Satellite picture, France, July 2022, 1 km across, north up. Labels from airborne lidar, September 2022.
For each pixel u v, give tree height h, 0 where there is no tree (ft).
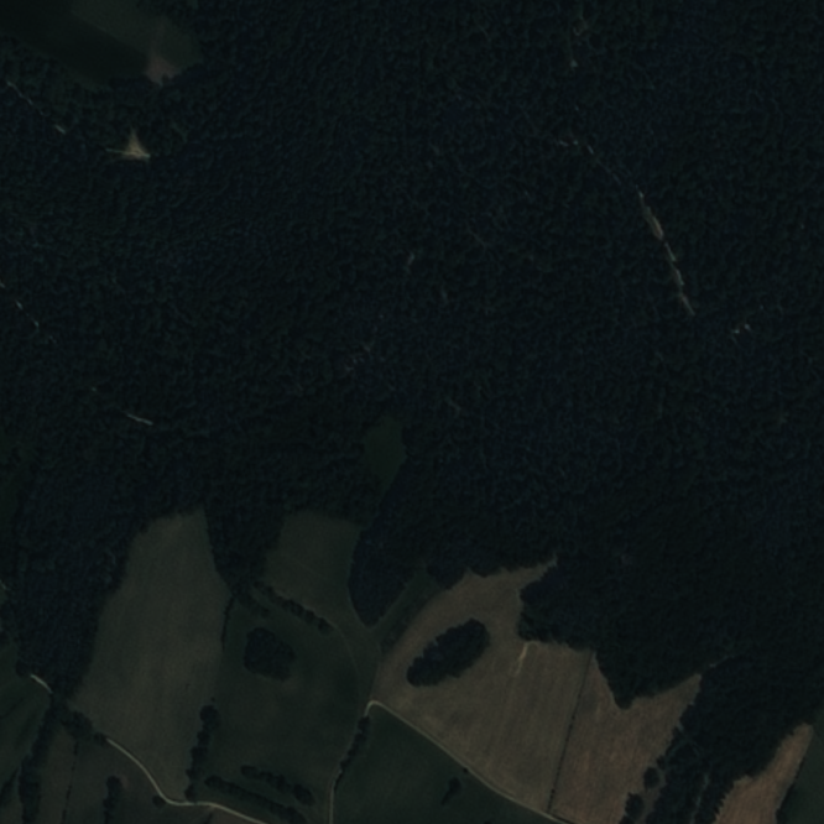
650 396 72
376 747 0
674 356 102
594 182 101
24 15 0
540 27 89
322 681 0
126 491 36
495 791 0
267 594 48
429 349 103
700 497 93
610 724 0
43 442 66
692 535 79
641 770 0
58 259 92
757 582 98
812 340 105
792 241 26
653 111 100
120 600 0
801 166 98
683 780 53
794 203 93
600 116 95
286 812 46
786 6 89
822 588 83
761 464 76
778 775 0
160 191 107
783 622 82
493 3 25
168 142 67
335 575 0
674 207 91
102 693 0
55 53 0
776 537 109
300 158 98
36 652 67
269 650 67
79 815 0
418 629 0
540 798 0
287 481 59
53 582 94
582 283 66
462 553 77
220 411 52
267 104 121
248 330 80
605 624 33
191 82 83
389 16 36
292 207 76
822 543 89
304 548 0
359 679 0
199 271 98
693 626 92
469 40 100
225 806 0
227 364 94
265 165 110
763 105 112
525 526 81
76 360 78
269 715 0
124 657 0
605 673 44
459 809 0
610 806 0
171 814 0
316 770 0
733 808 0
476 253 90
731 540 94
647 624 92
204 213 117
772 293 87
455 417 62
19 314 57
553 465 66
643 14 107
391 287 102
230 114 102
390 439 0
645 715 0
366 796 0
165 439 82
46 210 47
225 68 76
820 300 100
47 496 78
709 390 94
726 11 93
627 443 94
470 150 45
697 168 85
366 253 108
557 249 77
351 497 74
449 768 0
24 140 74
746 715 61
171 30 0
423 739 0
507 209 89
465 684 0
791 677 64
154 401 61
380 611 66
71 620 70
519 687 0
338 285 100
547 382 94
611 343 104
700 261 86
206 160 105
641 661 64
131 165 26
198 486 24
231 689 0
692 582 88
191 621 0
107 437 73
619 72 88
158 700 0
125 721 0
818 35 87
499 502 76
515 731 0
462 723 0
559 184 38
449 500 92
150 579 0
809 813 0
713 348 108
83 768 0
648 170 95
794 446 80
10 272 79
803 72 93
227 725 0
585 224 96
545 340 90
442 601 0
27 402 74
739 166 101
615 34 99
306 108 101
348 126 68
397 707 0
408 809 0
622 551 103
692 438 94
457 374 94
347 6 83
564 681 0
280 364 81
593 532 103
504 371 48
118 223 86
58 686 65
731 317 100
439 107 36
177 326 72
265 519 89
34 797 66
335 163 79
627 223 97
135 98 88
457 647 76
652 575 100
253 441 32
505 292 90
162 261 24
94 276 93
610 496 112
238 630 0
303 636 0
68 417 73
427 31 80
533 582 0
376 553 55
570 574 99
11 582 50
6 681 0
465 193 84
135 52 0
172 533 0
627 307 94
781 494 96
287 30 94
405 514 86
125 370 46
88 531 73
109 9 0
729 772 68
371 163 87
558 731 0
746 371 21
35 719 0
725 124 101
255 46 100
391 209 82
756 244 98
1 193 102
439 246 85
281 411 69
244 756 0
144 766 0
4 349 72
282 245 98
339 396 75
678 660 75
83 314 90
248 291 89
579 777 0
